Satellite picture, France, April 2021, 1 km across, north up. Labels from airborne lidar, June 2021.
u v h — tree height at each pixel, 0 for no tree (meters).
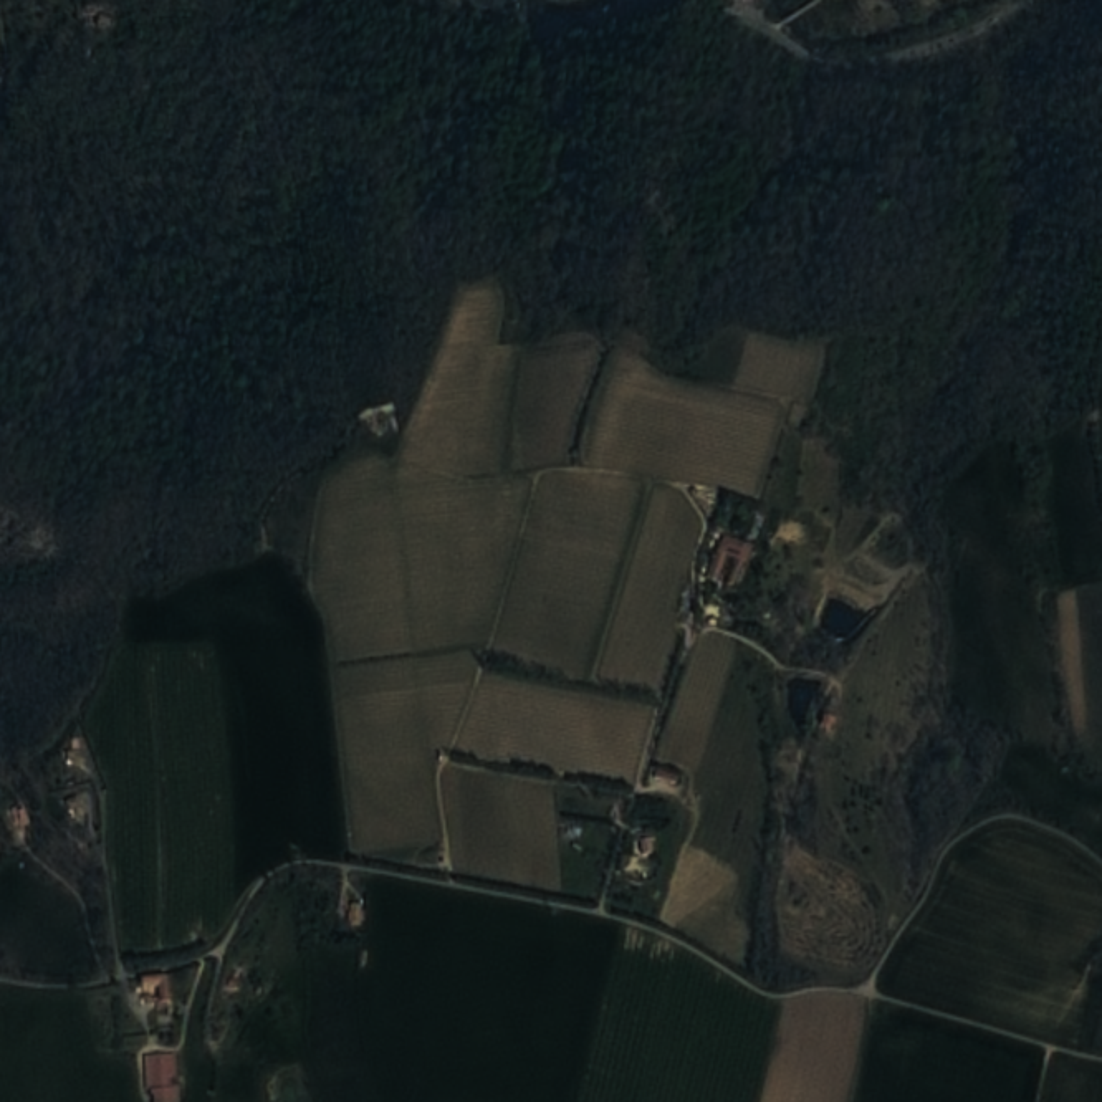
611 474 0
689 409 0
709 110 11
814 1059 0
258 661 0
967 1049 0
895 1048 0
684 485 0
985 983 0
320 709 0
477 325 0
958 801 21
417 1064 0
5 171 26
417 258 12
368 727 0
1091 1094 0
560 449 0
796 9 10
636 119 17
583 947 0
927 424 26
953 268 10
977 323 20
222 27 11
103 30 11
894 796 10
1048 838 0
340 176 9
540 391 0
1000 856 0
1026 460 12
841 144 13
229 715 0
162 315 23
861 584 0
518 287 14
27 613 10
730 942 0
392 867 11
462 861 0
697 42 7
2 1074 0
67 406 19
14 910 0
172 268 21
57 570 8
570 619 0
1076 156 20
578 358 0
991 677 0
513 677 23
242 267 11
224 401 14
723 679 0
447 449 0
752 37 19
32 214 21
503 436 0
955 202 12
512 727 0
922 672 9
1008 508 0
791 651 14
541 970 0
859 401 6
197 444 14
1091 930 0
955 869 0
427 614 0
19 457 6
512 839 0
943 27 22
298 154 15
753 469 0
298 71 11
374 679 0
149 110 12
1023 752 0
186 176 20
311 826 0
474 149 13
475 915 0
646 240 6
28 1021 0
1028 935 0
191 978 8
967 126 13
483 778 0
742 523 11
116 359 19
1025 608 0
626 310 8
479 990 0
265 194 23
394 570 0
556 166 15
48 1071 0
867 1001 0
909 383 18
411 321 12
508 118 10
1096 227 11
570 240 22
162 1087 0
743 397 0
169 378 16
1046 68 7
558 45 11
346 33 11
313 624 0
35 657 17
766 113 6
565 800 0
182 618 0
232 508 15
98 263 31
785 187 20
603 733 0
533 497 0
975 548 0
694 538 0
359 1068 0
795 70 11
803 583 16
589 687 7
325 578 0
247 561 8
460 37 11
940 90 18
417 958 0
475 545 0
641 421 0
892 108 18
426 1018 0
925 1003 0
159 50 10
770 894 10
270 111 17
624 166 9
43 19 11
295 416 17
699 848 0
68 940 0
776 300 13
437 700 0
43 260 27
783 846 13
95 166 27
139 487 9
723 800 0
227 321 16
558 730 0
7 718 13
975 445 12
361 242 12
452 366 0
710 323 19
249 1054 0
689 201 9
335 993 0
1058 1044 0
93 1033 0
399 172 12
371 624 0
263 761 0
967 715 16
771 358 0
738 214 10
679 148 11
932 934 0
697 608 11
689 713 0
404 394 11
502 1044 0
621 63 17
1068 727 16
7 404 6
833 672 27
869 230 17
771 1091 0
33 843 12
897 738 10
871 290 15
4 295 20
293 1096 0
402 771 0
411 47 13
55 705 17
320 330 11
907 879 11
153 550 14
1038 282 15
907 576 0
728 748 0
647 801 8
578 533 0
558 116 8
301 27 7
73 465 17
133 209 24
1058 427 13
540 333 10
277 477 11
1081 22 13
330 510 0
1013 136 24
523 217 16
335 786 0
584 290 14
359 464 0
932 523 17
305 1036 0
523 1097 0
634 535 0
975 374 12
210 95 14
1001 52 16
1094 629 0
